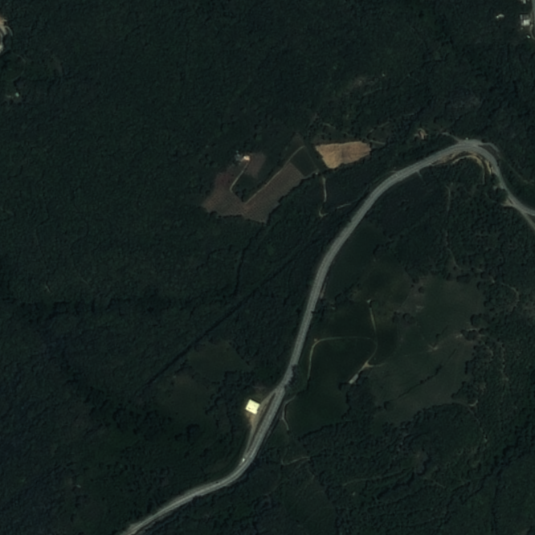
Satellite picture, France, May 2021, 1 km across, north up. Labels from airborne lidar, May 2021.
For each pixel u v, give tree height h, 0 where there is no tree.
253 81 13
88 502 16
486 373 9
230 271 13
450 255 9
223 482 0
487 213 8
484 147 0
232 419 10
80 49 11
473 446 7
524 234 10
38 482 8
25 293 9
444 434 13
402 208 8
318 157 7
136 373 12
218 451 0
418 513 10
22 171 10
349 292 11
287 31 9
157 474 14
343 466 9
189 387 0
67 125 9
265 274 10
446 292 0
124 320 18
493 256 9
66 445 8
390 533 11
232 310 7
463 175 7
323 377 0
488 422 7
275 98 10
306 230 8
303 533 18
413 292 0
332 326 0
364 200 9
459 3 10
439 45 15
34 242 10
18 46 9
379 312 7
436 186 6
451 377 0
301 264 8
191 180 9
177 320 15
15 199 8
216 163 11
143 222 8
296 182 0
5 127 13
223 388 14
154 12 12
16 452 8
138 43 13
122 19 9
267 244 9
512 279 15
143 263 8
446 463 9
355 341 0
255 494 11
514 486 15
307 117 10
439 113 7
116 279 14
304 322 0
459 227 8
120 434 0
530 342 11
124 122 11
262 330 12
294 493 0
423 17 16
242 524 10
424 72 13
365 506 14
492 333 12
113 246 11
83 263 8
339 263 0
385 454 8
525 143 15
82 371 10
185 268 7
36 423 10
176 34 9
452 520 16
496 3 10
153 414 19
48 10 13
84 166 7
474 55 21
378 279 0
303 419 0
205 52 9
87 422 15
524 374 10
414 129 12
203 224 10
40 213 12
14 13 6
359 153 0
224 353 0
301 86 12
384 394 0
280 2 10
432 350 0
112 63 11
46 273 7
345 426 10
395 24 14
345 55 14
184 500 0
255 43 16
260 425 0
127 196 9
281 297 17
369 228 0
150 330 17
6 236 9
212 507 9
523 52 9
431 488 13
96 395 21
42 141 10
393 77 10
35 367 10
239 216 10
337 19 12
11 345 16
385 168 7
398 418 0
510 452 24
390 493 18
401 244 7
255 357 15
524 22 0
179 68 11
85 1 8
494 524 12
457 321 0
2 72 7
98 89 12
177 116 11
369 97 9
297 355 0
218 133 10
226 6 14
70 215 8
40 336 13
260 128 9
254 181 0
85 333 12
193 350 8
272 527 21
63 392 15
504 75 14
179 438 16
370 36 15
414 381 0
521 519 15
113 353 12
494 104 18
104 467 12
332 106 9
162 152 9
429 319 0
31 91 12
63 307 23
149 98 10
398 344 0
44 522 10
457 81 11
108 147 12
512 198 0
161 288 12
